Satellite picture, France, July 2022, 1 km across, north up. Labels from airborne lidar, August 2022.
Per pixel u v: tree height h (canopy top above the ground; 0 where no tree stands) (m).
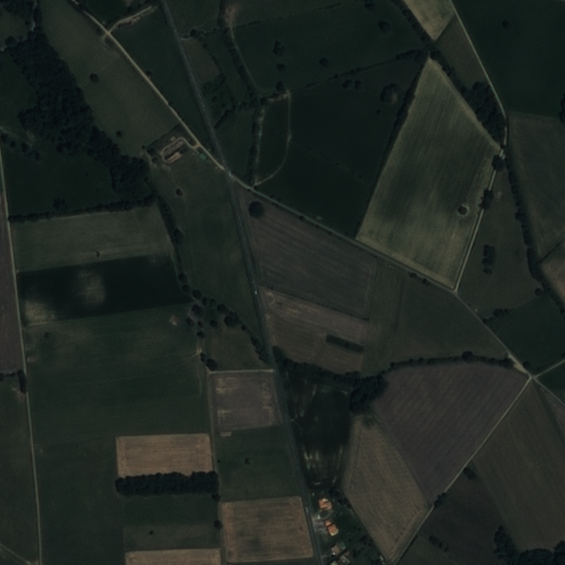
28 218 9
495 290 0
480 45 0
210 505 0
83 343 0
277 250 0
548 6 0
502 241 0
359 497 0
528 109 0
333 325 0
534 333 0
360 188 0
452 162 0
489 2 0
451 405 0
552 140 0
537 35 0
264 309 0
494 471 0
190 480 14
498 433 0
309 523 0
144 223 0
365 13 0
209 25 0
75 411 0
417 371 0
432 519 0
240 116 0
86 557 0
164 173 0
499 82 0
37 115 15
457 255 0
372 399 16
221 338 0
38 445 0
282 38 0
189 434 0
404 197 0
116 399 0
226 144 0
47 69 30
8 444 0
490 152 0
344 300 0
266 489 0
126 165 21
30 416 0
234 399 0
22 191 0
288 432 0
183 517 0
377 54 0
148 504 0
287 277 0
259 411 0
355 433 0
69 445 0
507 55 0
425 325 0
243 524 0
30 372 0
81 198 0
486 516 0
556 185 0
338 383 12
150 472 0
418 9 0
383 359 0
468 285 0
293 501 0
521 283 0
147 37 0
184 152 0
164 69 0
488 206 12
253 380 0
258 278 0
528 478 0
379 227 0
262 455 0
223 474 0
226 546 0
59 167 0
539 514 0
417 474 0
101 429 0
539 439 0
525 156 0
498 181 0
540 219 0
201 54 0
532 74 0
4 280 0
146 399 0
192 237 0
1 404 0
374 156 0
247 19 0
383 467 0
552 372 0
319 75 0
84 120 23
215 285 0
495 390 0
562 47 0
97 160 17
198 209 0
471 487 0
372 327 0
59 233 0
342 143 0
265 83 0
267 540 0
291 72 0
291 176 0
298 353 0
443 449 0
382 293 0
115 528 0
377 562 6
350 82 13
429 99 0
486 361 9
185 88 0
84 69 0
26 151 21
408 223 0
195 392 0
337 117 0
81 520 0
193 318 16
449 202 0
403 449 0
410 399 0
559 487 0
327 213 0
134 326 0
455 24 0
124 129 0
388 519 0
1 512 0
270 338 0
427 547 0
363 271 0
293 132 0
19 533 0
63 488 0
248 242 0
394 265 0
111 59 0
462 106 0
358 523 0
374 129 0
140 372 0
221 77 7
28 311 0
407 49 0
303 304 0
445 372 0
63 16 0
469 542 0
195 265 0
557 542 0
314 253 0
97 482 0
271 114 0
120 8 0
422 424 0
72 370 0
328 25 0
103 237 0
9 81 0
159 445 0
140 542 0
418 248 0
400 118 13
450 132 0
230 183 0
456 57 0
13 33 0
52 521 0
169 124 0
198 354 0
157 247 0
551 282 0
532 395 0
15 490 0
